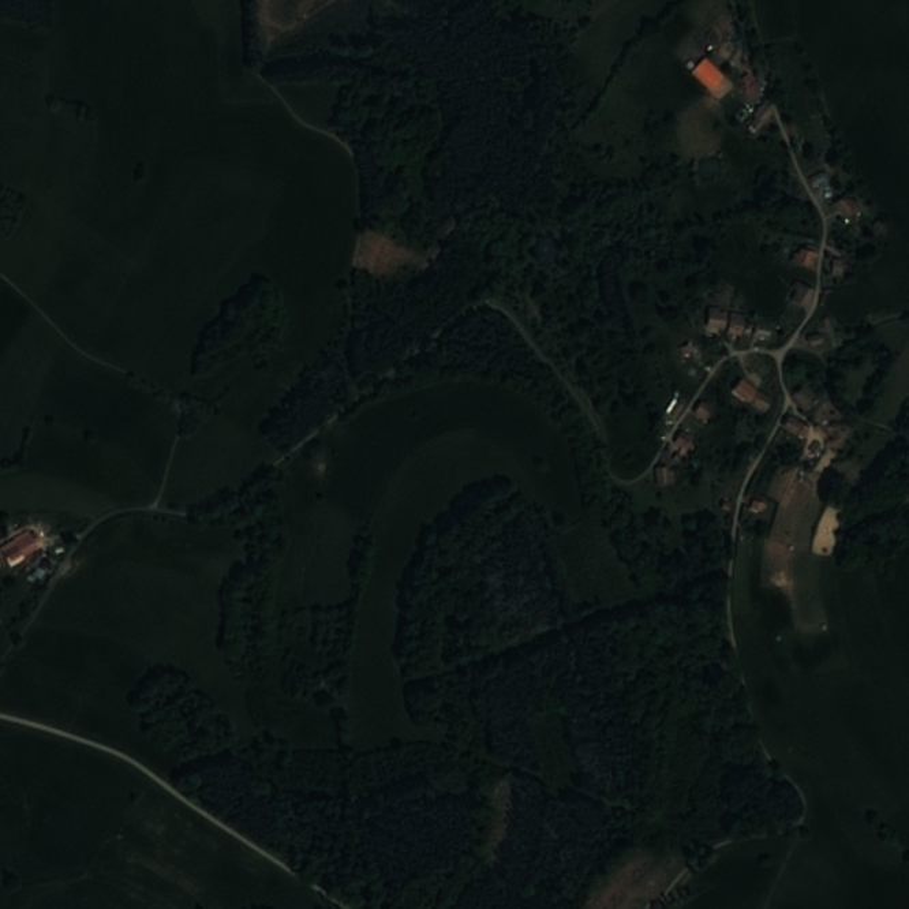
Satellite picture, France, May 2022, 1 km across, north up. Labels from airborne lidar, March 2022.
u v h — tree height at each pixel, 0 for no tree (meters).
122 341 0
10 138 0
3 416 0
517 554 27
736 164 0
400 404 0
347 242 0
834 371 10
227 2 0
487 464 0
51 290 0
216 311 0
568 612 27
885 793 0
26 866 0
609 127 0
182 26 0
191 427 20
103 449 0
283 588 0
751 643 0
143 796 0
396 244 35
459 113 29
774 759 0
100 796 0
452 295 7
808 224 11
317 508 0
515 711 24
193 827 0
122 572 0
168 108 0
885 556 14
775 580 0
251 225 0
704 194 0
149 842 0
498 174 30
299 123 0
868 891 0
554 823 30
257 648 18
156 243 0
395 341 28
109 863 0
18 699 0
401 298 9
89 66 0
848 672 0
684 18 0
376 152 19
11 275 0
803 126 0
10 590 8
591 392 29
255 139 0
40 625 0
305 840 19
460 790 0
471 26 33
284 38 0
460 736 20
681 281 0
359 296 16
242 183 0
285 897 0
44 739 0
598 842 12
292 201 0
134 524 0
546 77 29
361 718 0
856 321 0
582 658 27
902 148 0
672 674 33
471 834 23
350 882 33
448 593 21
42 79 0
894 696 0
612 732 20
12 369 0
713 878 0
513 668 25
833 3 0
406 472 0
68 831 0
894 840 13
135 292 0
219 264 0
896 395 0
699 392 0
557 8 0
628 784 21
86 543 0
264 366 13
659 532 23
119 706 0
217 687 0
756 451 8
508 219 25
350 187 0
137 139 0
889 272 0
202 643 0
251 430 0
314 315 0
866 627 0
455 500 0
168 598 0
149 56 0
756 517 0
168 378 0
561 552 0
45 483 0
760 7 0
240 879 0
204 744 27
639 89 0
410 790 27
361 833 26
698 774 0
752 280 0
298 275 0
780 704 0
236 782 30
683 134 0
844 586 0
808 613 0
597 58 0
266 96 0
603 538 0
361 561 22
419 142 27
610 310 20
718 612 23
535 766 21
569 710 26
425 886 28
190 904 0
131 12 0
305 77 25
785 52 0
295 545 0
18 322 0
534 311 20
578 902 18
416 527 0
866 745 0
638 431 0
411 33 27
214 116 0
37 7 25
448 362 6
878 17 0
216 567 0
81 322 0
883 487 23
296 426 29
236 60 0
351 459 0
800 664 0
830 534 0
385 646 0
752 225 0
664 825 0
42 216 0
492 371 12
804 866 0
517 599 32
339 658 13
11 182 0
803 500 0
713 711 29
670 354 0
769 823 25
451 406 0
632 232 7
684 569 27
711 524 20
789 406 0
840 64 0
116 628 0
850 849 0
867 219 0
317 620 6
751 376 0
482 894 26
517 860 27
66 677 0
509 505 28
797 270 0
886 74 0
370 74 24
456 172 36
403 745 14
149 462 0
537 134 30
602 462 22
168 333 0
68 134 0
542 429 0
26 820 0
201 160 0
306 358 0
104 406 0
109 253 0
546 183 26
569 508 0
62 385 0
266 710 0
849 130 0
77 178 0
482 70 32
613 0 0
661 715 32
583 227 12
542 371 6
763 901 0
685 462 8
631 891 0
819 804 0
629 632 28
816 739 0
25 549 0
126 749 0
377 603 0
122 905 0
